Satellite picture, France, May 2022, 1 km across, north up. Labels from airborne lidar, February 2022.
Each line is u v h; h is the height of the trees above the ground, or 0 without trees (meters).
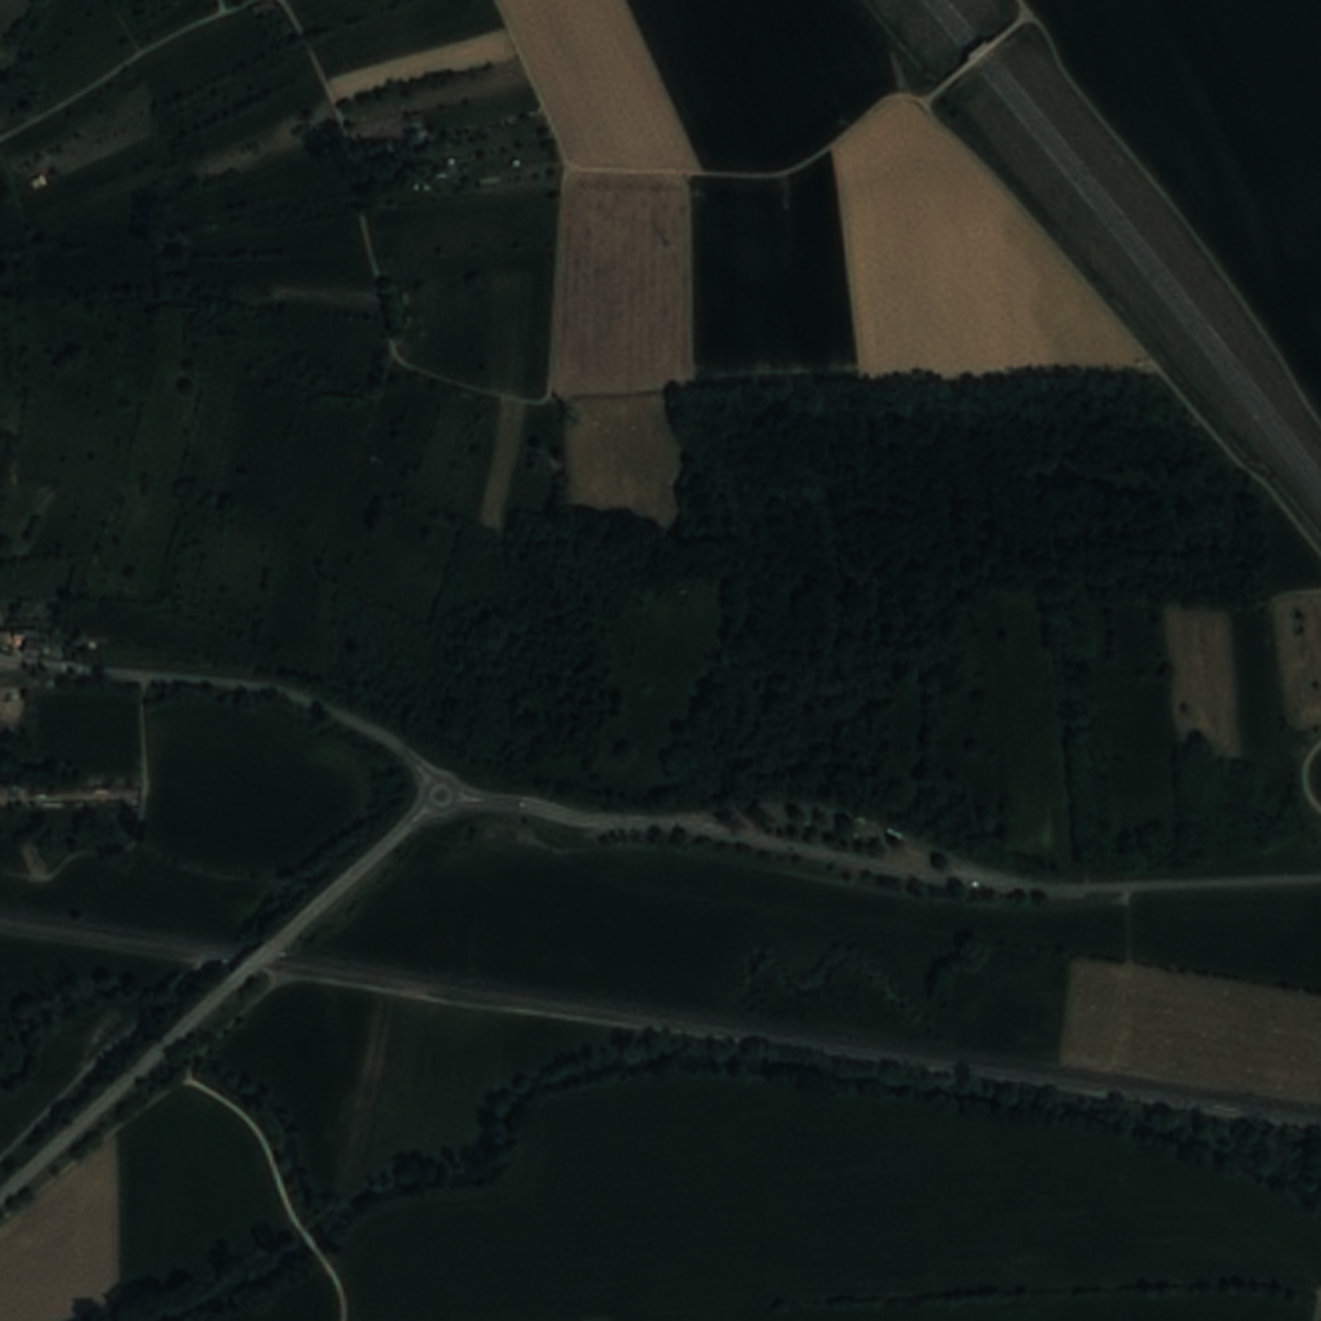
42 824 13
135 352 0
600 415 0
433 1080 0
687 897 0
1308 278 0
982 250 0
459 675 10
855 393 22
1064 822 0
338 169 32
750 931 0
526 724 22
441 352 0
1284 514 0
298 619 0
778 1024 0
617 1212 0
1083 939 0
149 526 0
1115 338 0
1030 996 0
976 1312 0
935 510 29
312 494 0
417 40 0
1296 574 0
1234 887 0
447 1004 0
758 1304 0
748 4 0
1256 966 0
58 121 0
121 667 0
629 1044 19
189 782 0
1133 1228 0
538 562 11
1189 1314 0
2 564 8
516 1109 25
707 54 0
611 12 0
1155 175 0
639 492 0
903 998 6
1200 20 0
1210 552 25
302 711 12
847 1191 0
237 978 0
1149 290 0
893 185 0
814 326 0
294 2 0
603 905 0
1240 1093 0
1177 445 17
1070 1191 0
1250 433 0
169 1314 6
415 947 0
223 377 0
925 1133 0
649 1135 0
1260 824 11
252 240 0
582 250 0
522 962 0
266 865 0
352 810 0
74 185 0
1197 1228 0
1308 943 0
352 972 0
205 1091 0
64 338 0
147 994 11
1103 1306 0
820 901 0
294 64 0
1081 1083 0
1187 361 0
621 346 0
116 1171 0
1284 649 0
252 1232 0
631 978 0
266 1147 0
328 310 0
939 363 0
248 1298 19
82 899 0
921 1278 0
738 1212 0
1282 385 0
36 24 5
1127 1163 0
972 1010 0
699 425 13
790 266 0
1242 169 0
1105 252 0
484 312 0
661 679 0
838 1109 0
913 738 0
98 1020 0
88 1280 0
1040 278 0
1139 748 0
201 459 0
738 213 0
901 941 0
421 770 0
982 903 14
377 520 15
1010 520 29
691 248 0
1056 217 0
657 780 0
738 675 19
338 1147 0
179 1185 0
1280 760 0
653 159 0
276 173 0
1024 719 0
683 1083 0
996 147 0
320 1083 0
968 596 20
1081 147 0
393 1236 0
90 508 0
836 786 22
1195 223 0
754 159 0
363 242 0
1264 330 0
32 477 0
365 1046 0
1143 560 28
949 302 0
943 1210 0
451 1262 0
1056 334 0
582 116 0
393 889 0
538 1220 0
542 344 0
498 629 21
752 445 23
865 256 0
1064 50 0
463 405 0
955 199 0
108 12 0
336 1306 0
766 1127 0
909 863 0
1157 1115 14
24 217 0
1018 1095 10
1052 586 24
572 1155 0
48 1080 0
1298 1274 0
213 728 0
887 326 0
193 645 0
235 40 0
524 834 0
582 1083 11
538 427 0
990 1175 0
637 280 0
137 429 0
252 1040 0
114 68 0
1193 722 0
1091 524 17
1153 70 0
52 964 0
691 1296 0
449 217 0
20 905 0
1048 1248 0
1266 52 0
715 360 0
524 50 0
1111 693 0
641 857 0
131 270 0
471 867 0
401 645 6
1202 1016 0
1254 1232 0
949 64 0
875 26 0
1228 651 0
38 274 0
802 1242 0
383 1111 0
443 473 0
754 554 26
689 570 20
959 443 27
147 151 0
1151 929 0
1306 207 0
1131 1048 0
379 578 0
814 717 11
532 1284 0
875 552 26
